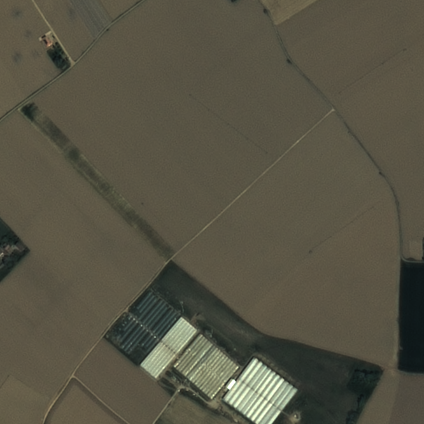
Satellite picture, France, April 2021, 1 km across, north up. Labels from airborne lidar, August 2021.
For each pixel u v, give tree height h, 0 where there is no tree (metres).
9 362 0
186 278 0
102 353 0
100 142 0
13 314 0
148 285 0
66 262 0
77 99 0
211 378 0
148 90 0
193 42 0
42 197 0
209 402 0
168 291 0
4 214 0
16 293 0
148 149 0
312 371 0
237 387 0
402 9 0
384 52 0
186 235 0
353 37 0
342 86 0
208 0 0
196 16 0
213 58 0
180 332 0
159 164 0
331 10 0
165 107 0
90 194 0
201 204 0
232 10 0
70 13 0
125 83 0
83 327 0
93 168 0
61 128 0
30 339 0
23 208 0
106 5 0
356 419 19
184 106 0
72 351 0
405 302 0
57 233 0
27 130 0
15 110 0
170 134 0
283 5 0
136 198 0
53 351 0
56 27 0
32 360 0
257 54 0
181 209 0
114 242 0
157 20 0
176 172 0
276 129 0
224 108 0
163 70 0
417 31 0
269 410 0
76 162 0
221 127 0
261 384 0
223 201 0
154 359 0
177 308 0
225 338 0
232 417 0
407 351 0
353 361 0
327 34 0
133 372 0
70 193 0
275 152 0
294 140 0
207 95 0
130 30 0
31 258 0
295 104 0
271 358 0
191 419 0
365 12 0
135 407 0
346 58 0
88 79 0
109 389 0
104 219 0
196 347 0
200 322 0
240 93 0
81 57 0
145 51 0
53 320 0
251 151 0
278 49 0
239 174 0
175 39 0
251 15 0
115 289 0
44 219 0
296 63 0
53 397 0
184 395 0
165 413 0
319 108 0
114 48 0
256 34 0
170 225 0
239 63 0
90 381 0
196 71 0
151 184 0
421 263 0
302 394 0
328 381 0
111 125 0
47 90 0
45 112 0
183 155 0
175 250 0
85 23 0
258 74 0
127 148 0
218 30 0
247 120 0
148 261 0
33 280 0
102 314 0
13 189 0
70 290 0
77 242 0
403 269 0
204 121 0
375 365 0
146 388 0
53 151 0
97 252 0
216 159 0
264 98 0
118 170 0
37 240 0
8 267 10
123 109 0
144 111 0
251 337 0
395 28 0
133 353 0
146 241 0
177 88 0
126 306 0
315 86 0
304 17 0
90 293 0
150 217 0
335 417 0
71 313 0
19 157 0
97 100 0
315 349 0
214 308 0
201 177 0
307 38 0
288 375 0
